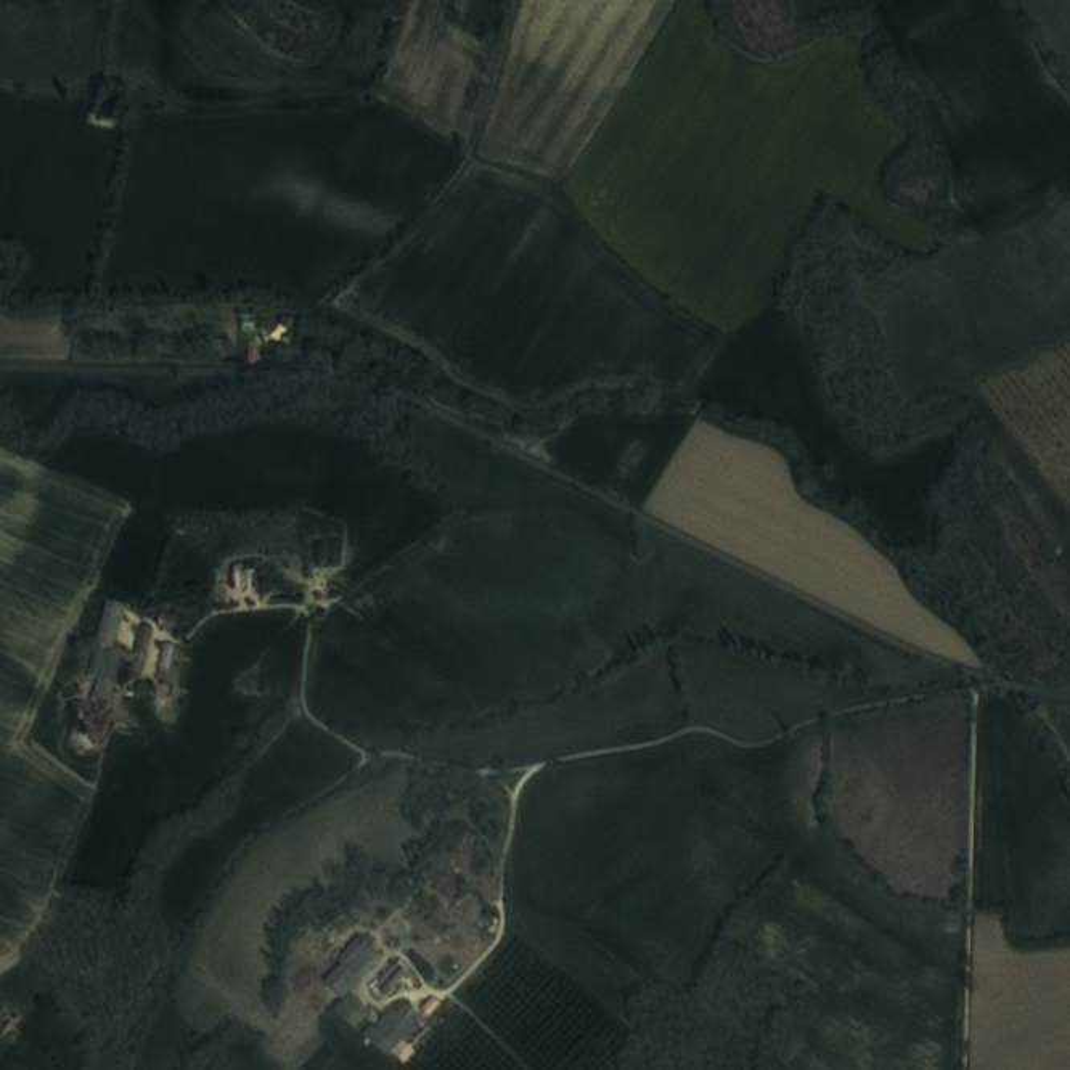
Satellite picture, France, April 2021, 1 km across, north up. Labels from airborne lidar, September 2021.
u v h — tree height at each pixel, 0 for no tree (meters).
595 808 0
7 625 0
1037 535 12
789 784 0
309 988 0
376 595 0
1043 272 0
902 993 0
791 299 18
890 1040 0
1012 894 0
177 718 0
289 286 0
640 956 0
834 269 8
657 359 0
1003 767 0
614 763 0
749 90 0
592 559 0
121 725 0
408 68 0
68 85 0
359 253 0
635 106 0
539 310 0
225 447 0
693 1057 21
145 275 0
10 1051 0
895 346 0
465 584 0
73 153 0
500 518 0
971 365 0
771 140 0
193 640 7
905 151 9
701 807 0
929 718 0
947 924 0
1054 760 20
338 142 0
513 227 0
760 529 0
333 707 0
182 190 0
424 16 0
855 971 0
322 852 0
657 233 0
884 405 10
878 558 0
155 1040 0
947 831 0
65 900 16
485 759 0
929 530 0
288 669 0
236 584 0
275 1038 0
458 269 0
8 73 0
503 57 27
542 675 0
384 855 0
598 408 16
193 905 0
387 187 0
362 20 0
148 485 0
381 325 0
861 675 0
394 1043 0
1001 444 0
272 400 11
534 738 0
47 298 14
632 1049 21
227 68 0
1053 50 0
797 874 0
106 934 22
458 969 0
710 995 17
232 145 0
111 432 8
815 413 0
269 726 15
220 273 0
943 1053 0
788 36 8
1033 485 0
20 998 0
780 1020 20
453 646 0
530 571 0
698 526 0
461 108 0
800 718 0
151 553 0
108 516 0
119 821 0
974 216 0
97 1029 19
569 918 0
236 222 0
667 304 9
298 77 0
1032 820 0
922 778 0
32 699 0
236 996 0
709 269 0
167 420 21
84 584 0
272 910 0
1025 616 16
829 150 0
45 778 0
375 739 0
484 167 0
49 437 21
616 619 0
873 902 0
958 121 0
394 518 0
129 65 0
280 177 0
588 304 0
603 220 0
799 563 0
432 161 0
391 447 20
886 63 18
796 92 0
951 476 19
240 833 0
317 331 15
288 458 0
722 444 0
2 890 0
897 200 14
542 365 0
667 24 0
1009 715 0
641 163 0
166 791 0
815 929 0
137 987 20
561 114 0
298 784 0
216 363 18
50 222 0
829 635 0
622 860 0
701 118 0
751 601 0
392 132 0
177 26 0
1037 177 0
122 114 19
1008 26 0
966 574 14
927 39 0
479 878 11
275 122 0
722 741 0
